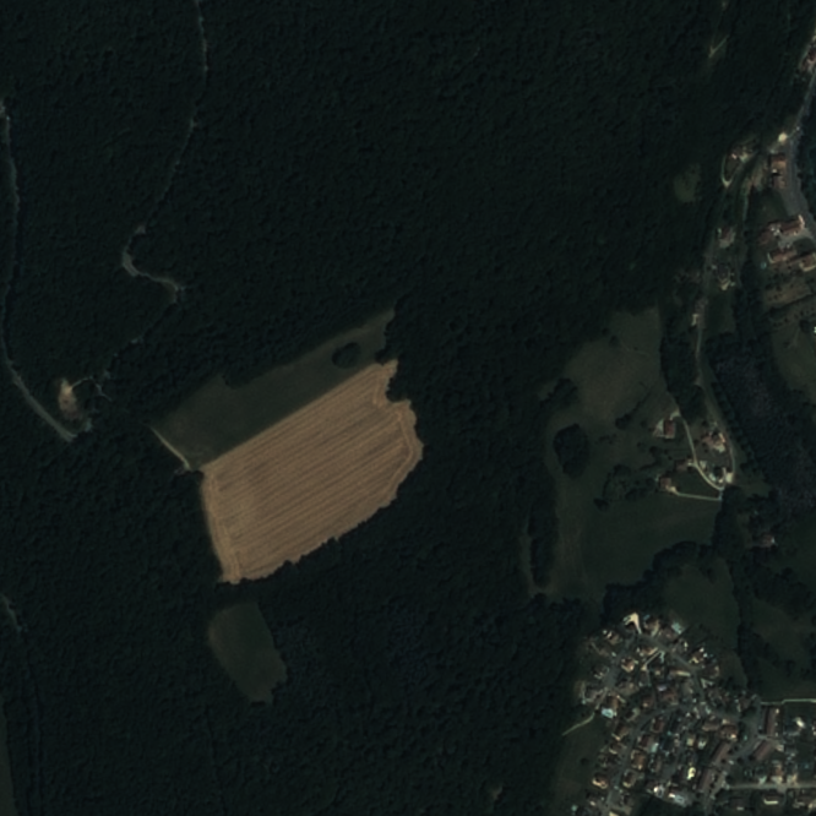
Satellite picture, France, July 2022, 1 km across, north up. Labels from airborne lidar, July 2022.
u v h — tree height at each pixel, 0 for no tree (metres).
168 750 14
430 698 21
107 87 20
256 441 0
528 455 28
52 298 20
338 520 0
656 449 9
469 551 25
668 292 8
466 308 21
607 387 0
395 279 18
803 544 0
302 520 0
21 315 22
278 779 17
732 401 17
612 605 22
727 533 20
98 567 19
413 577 22
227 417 0
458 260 18
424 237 17
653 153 30
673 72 20
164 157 15
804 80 6
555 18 23
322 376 0
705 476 0
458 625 33
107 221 15
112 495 19
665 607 8
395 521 20
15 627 9
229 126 21
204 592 17
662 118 19
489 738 22
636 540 0
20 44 17
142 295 17
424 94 21
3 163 23
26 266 20
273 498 0
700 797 9
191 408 0
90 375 8
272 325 21
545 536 24
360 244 20
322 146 18
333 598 10
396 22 18
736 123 12
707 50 8
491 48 14
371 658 25
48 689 23
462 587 22
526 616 31
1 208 25
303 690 23
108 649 23
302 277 20
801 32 12
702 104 9
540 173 18
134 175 15
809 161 23
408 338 19
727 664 0
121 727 17
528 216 19
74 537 25
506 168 18
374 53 21
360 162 17
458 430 24
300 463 0
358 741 22
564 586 0
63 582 22
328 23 15
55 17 11
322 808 7
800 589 23
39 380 13
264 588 16
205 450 0
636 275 19
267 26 12
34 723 18
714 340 6
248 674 0
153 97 19
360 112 19
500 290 23
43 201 20
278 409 0
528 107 19
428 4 15
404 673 24
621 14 23
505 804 23
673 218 15
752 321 9
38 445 18
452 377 27
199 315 17
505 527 31
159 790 17
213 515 0
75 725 30
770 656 13
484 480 28
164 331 19
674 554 17
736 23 18
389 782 15
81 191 19
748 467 13
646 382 0
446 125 20
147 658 15
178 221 20
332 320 18
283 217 14
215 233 14
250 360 20
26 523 21
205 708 8
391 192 19
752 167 0
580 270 18
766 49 9
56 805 23
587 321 18
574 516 0
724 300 0
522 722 28
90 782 24
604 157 28
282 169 16
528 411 20
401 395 18
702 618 0
